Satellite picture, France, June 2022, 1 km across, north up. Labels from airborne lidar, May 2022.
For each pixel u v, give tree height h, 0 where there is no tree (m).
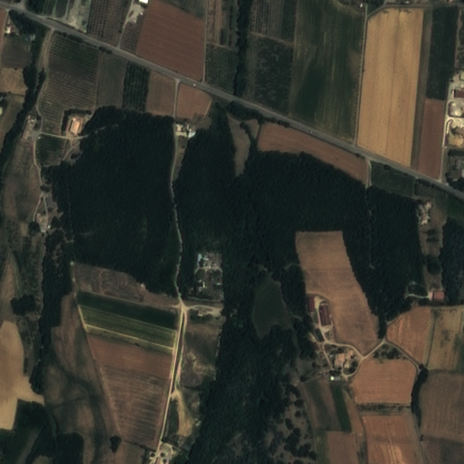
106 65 0
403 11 0
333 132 0
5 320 0
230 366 14
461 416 0
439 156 0
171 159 9
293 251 7
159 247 9
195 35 0
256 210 15
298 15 0
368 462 0
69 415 0
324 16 0
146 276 8
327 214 9
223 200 11
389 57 0
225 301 7
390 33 0
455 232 16
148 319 0
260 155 9
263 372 14
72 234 8
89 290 0
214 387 15
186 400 0
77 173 8
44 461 0
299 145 0
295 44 0
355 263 8
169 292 10
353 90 0
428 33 0
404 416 0
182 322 0
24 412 8
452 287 12
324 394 0
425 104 0
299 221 10
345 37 0
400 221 8
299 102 0
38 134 0
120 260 8
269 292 0
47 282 11
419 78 0
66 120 6
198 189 9
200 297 11
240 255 15
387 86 0
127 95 6
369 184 0
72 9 0
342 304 0
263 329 0
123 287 0
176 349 0
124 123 14
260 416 16
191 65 0
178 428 0
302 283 9
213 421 12
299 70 0
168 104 0
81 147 7
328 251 0
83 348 0
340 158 0
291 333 14
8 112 0
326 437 0
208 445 8
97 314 0
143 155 9
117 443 14
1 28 0
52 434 12
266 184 8
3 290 0
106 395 0
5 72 0
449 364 0
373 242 11
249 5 12
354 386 0
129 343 0
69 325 0
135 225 8
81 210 9
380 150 0
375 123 0
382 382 0
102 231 6
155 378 0
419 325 0
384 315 15
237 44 7
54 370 0
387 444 0
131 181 9
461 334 0
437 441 0
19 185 0
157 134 10
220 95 0
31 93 12
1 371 0
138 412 0
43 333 18
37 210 0
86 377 0
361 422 0
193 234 7
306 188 9
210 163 6
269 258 13
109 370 0
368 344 0
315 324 0
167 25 0
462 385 0
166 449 0
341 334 0
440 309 0
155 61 0
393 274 14
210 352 0
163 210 11
